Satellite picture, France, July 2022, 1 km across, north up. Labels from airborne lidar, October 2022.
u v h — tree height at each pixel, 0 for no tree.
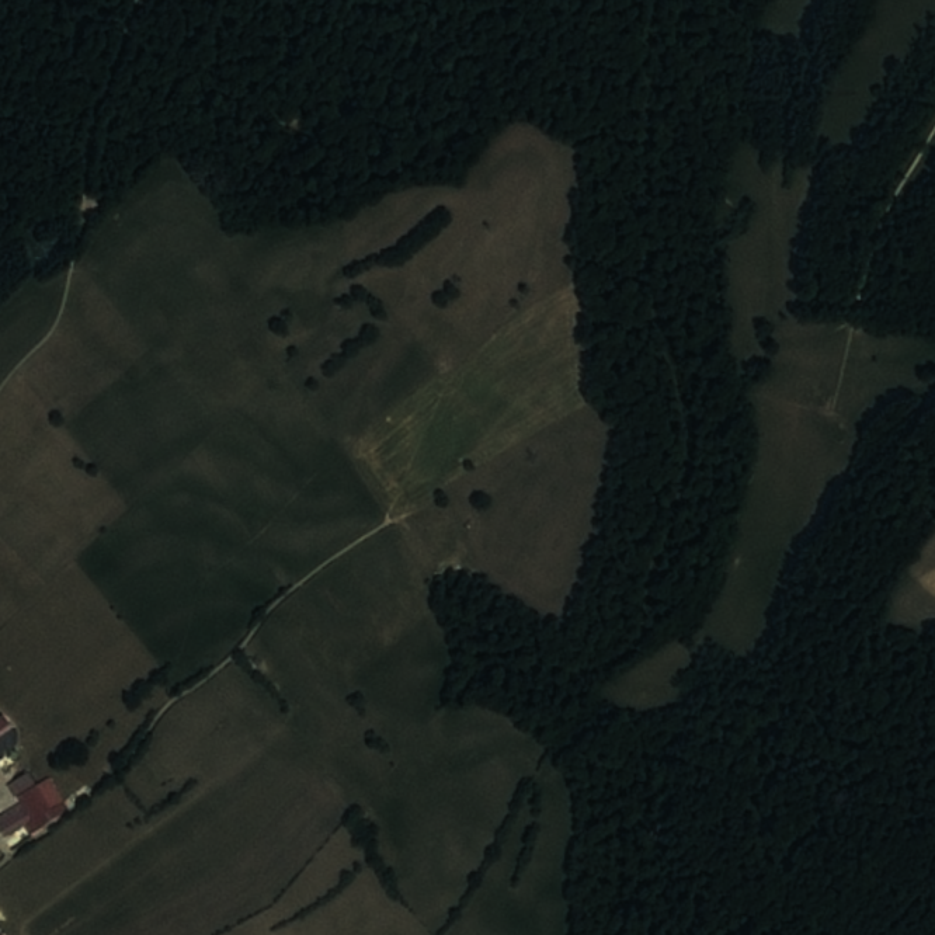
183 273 0
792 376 0
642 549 35
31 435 0
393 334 0
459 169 29
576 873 17
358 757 0
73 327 0
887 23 0
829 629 28
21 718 0
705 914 36
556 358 0
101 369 0
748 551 0
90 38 26
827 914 17
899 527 23
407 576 0
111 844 0
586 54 29
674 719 26
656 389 29
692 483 29
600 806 32
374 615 0
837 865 25
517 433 0
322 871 0
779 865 29
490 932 0
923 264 21
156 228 0
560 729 22
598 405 23
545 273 0
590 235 31
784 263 0
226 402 0
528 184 0
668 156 36
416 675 0
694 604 28
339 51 32
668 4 33
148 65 31
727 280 9
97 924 0
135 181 10
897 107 18
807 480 0
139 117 26
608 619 25
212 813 0
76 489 0
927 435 29
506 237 0
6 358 0
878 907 19
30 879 0
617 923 40
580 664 29
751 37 28
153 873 0
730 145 30
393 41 30
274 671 0
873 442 10
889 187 21
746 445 21
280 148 24
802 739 30
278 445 0
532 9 26
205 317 0
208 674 8
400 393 0
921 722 24
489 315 0
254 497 0
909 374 0
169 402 0
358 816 15
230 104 32
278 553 0
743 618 0
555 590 0
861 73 0
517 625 24
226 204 15
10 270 22
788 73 9
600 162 29
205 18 29
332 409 0
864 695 31
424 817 0
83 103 24
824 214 28
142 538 0
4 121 26
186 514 0
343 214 22
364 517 0
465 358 0
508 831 8
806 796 31
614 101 33
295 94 32
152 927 0
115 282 0
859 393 0
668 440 37
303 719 0
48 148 26
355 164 29
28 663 0
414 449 0
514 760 0
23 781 0
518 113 23
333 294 0
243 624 0
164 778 0
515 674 31
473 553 0
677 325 32
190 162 19
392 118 33
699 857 28
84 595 0
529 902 0
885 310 27
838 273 27
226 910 0
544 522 0
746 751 30
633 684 0
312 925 0
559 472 0
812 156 23
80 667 0
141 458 0
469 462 9
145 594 0
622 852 31
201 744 0
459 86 29
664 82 33
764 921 30
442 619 15
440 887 0
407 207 0
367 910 0
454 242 0
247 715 0
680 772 30
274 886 0
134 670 0
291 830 0
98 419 0
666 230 34
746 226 9
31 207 25
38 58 27
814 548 30
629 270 34
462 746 0
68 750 18
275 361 0
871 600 26
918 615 0
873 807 25
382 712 0
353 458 0
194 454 0
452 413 0
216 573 0
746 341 0
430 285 0
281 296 0
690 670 7
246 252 0
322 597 0
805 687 32
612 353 34
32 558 0
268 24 30
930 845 24
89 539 0
